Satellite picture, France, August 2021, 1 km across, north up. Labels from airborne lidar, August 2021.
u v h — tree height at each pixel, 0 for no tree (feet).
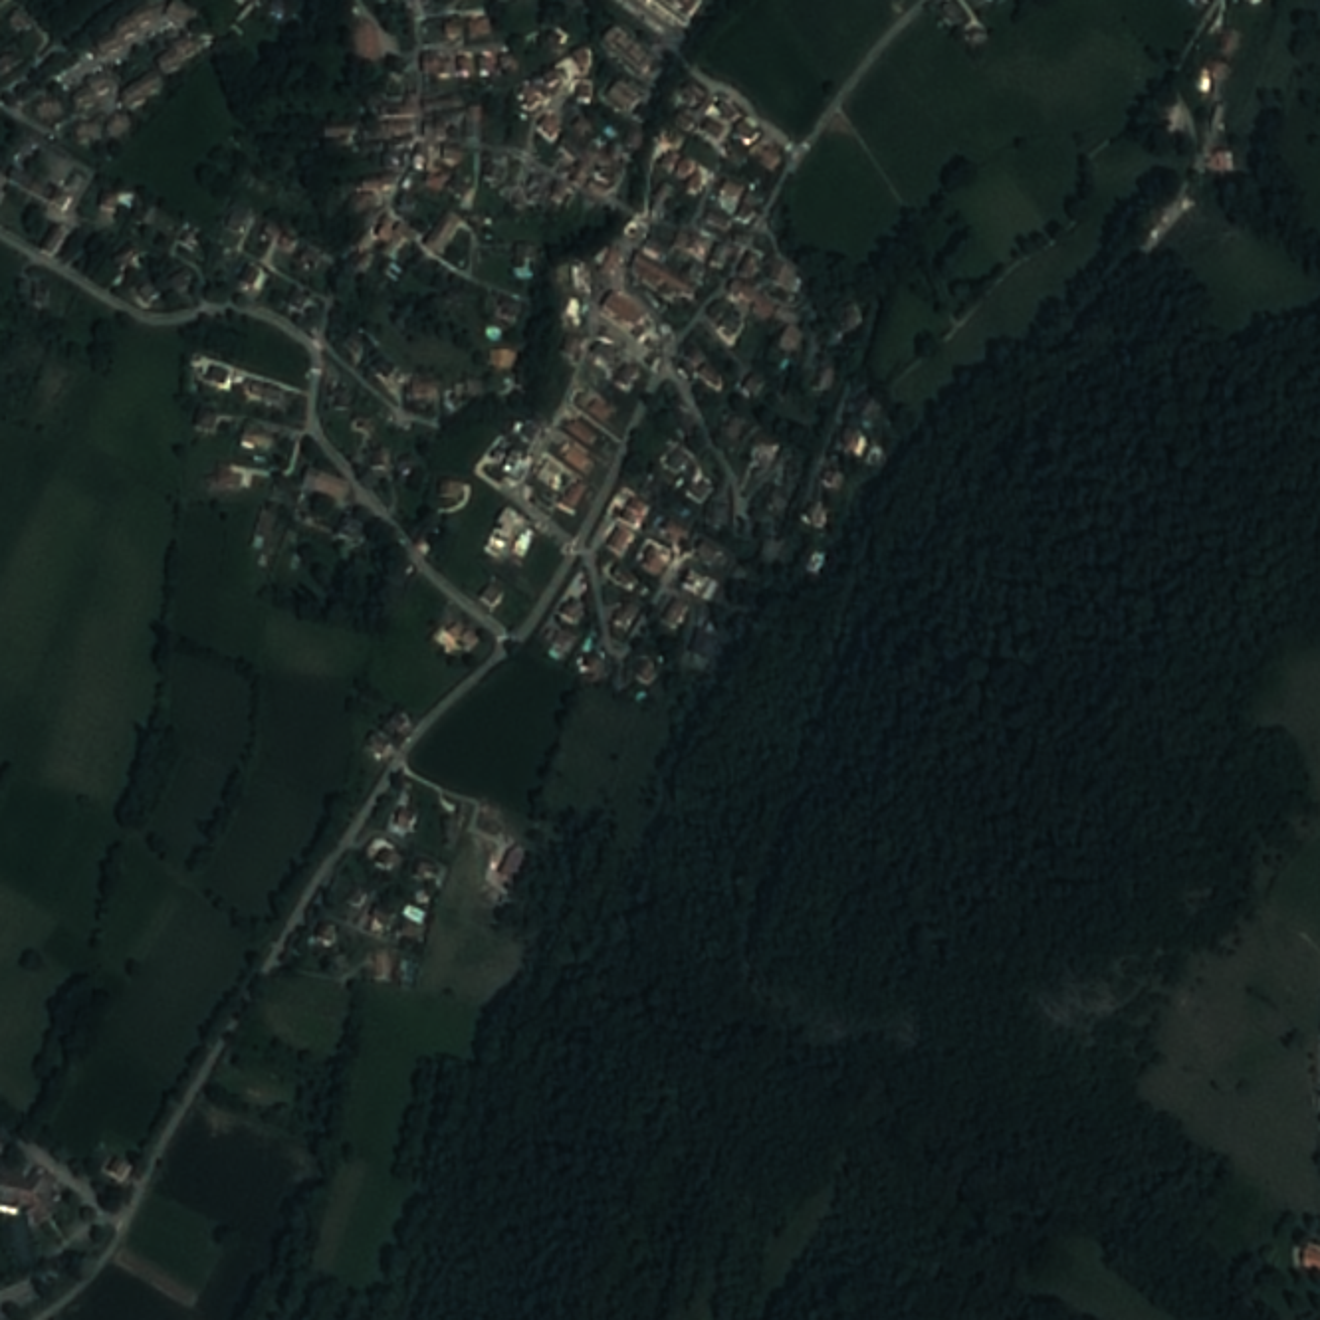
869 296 34
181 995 0
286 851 0
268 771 0
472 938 0
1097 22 0
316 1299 68
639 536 0
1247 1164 0
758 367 18
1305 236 53
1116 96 0
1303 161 0
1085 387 54
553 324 28
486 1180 82
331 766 0
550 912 47
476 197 0
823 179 0
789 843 36
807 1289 69
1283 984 0
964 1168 67
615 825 27
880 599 53
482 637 27
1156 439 89
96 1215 49
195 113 0
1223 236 0
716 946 55
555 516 0
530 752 0
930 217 34
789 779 32
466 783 0
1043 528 60
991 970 52
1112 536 64
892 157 0
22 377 19
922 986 45
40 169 48
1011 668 75
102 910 32
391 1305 60
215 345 60
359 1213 0
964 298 31
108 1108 0
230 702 0
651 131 36
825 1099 48
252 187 0
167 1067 0
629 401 0
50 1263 37
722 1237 24
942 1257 63
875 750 43
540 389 36
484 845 0
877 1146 75
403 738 22
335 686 0
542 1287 55
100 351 59
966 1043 43
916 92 0
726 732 38
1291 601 57
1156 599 68
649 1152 57
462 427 53
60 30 28
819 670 30
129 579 0
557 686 0
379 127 42
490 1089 58
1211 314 73
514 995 51
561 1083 41
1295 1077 0
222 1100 51
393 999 0
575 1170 79
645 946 59
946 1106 73
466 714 0
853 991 34
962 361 0
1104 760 57
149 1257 0
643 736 0
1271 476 77
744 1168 48
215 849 30
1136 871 44
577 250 58
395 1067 0
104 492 0
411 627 0
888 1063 54
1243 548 68
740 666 53
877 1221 47
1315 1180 0
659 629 21
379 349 22
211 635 0
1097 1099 33
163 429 0
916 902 75
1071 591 69
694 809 45
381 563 52
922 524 44
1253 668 58
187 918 0
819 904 40
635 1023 62
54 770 0
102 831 0
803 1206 23
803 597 48
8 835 0
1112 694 55
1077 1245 0
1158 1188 63
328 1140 58
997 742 59
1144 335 53
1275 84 0
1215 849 24
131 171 0
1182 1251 43
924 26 0
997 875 77
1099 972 22
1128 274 50
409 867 18
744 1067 62
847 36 0
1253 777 43
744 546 21
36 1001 0
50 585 0
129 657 0
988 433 54
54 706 0
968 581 68
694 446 36
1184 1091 0
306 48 82
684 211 32
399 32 50
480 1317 56
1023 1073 56
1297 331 61
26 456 0
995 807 81
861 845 46
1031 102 0
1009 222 0
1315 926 0
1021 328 0
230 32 19
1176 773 65
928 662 78
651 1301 47
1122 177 0
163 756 58
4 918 0
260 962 61
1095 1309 0
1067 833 69
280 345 0
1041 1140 65
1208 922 39
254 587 0
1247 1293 33
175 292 43
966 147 0
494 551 0
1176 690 59
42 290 0
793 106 0
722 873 57
